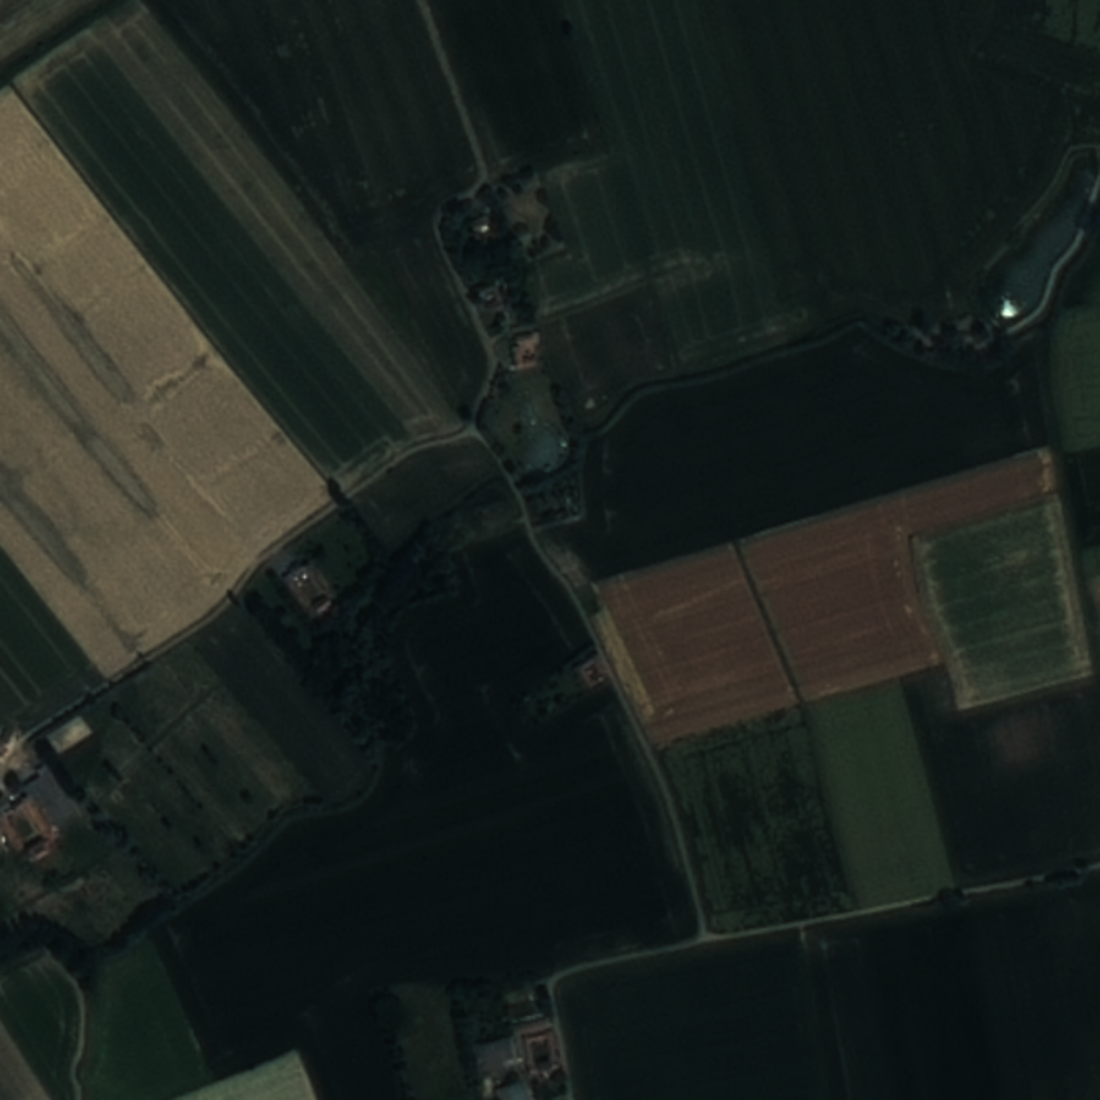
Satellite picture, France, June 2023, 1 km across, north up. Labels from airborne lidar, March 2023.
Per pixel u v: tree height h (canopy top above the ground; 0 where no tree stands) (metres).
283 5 0
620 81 0
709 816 0
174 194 0
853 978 0
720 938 0
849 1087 0
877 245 0
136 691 0
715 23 0
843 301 0
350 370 0
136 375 0
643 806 0
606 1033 0
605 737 0
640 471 0
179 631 0
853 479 0
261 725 0
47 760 15
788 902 0
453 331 0
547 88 0
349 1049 0
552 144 0
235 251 0
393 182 0
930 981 0
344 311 0
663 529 0
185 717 0
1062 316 0
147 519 0
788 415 0
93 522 0
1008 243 0
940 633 0
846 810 0
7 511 0
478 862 0
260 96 0
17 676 0
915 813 0
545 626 0
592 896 0
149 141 0
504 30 0
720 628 0
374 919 0
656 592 0
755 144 0
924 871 0
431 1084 0
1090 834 0
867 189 0
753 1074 0
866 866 0
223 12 0
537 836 0
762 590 0
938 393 0
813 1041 0
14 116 0
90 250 0
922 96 0
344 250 0
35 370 0
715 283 0
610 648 0
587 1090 0
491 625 0
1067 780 0
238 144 0
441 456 0
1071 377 0
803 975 0
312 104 0
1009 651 0
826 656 0
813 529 0
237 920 0
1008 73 0
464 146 0
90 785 0
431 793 0
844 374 0
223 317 0
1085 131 0
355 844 0
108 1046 0
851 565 0
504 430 0
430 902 0
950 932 0
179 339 0
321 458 0
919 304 0
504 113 0
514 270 7
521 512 0
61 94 0
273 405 0
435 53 0
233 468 0
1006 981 0
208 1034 0
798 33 0
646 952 0
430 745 0
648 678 0
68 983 0
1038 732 0
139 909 0
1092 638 0
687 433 0
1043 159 0
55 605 0
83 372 0
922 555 0
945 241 0
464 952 0
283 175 0
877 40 0
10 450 0
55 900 0
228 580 0
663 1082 0
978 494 0
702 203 0
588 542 0
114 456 0
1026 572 0
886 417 0
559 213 0
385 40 0
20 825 0
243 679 0
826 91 0
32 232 0
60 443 0
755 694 0
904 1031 0
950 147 0
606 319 0
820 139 0
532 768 0
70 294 0
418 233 0
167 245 0
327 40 0
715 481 0
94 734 0
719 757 0
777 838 0
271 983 0
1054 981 0
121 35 0
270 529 0
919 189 0
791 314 0
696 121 0
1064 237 0
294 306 0
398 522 0
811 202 0
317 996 0
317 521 0
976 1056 0
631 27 0
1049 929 0
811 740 0
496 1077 0
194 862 0
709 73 0
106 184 0
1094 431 0
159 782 0
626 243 0
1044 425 0
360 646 20
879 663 0
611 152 0
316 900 0
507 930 0
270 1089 0
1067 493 0
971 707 0
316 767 0
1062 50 0
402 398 0
